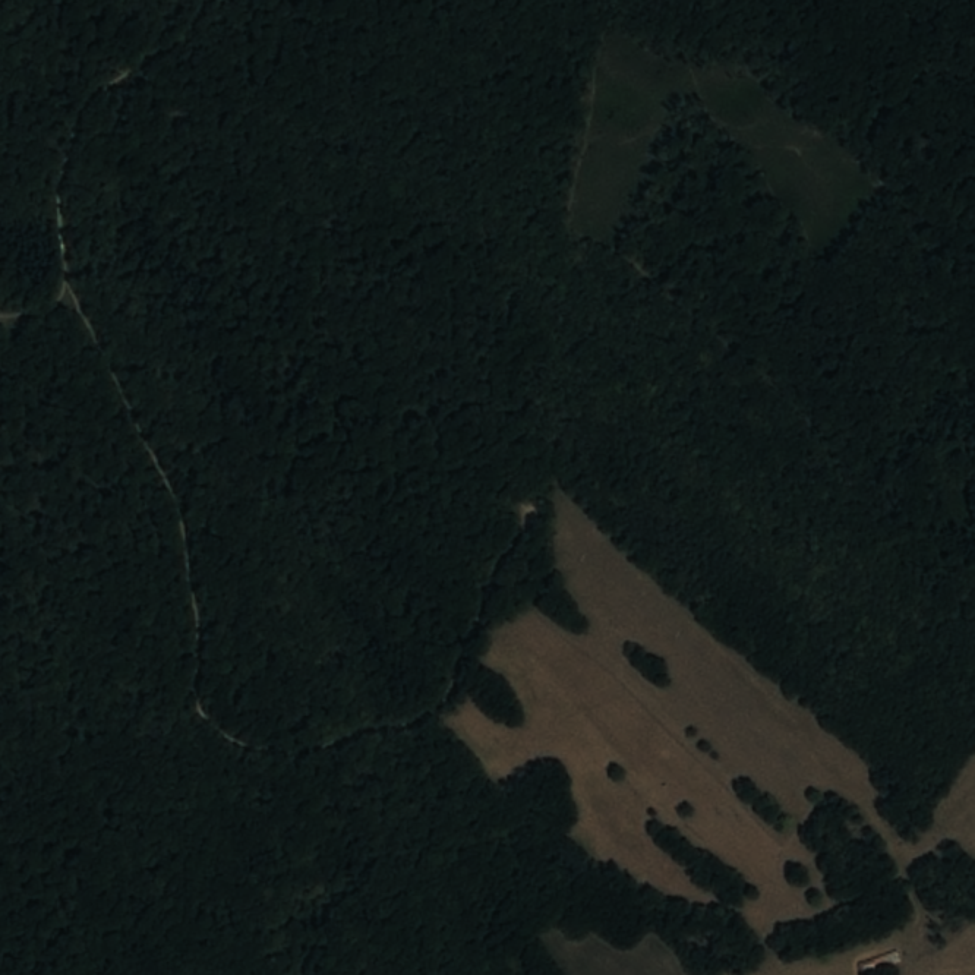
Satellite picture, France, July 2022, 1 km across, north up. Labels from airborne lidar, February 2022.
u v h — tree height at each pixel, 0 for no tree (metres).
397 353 22
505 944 22
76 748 22
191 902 22
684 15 26
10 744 24
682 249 20
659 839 19
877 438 28
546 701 0
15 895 25
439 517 23
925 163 30
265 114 22
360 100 23
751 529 16
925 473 27
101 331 19
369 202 22
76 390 26
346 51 22
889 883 18
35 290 20
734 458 21
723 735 0
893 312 26
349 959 21
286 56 27
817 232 0
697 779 0
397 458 20
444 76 20
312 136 21
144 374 21
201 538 24
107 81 10
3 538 22
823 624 10
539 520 21
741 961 22
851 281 25
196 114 24
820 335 22
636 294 21
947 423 19
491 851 21
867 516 23
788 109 26
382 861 22
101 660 21
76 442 22
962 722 13
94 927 23
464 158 20
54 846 23
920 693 13
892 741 13
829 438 20
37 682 21
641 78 0
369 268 18
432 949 20
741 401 22
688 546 10
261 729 21
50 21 17
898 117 33
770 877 0
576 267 19
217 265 24
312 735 20
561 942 0
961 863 21
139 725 24
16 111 23
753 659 16
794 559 12
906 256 24
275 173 20
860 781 0
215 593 23
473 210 20
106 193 20
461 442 24
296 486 21
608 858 0
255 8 17
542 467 23
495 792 22
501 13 22
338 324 23
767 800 16
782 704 0
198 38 20
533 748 0
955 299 25
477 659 20
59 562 22
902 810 20
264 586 22
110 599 22
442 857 24
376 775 19
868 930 20
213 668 23
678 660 0
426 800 17
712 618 17
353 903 21
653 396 17
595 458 17
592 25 24
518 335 28
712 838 0
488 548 23
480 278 22
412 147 18
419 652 21
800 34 27
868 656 11
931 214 31
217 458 23
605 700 0
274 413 22
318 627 20
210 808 20
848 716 14
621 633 0
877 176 31
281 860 22
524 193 21
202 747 21
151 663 21
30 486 21
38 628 21
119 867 22
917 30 27
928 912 17
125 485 24
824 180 0
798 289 28
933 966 0
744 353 23
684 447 10
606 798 0
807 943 20
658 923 10
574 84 22
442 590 30
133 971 24
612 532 20
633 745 0
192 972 23
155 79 22
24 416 21
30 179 21
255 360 15
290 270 22
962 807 0
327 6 27
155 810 23
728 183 26
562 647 0
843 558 17
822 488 21
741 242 28
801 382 23
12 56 25
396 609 23
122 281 22
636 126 0
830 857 20
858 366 26
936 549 15
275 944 22
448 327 21
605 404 11
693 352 23
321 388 23
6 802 22
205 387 15
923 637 13
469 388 22
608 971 0
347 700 23
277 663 25
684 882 0
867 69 25
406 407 27
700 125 22
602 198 0
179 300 25
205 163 19
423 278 20
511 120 20
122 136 19
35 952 21
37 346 22
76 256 11
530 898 26
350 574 17
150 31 20
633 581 0
